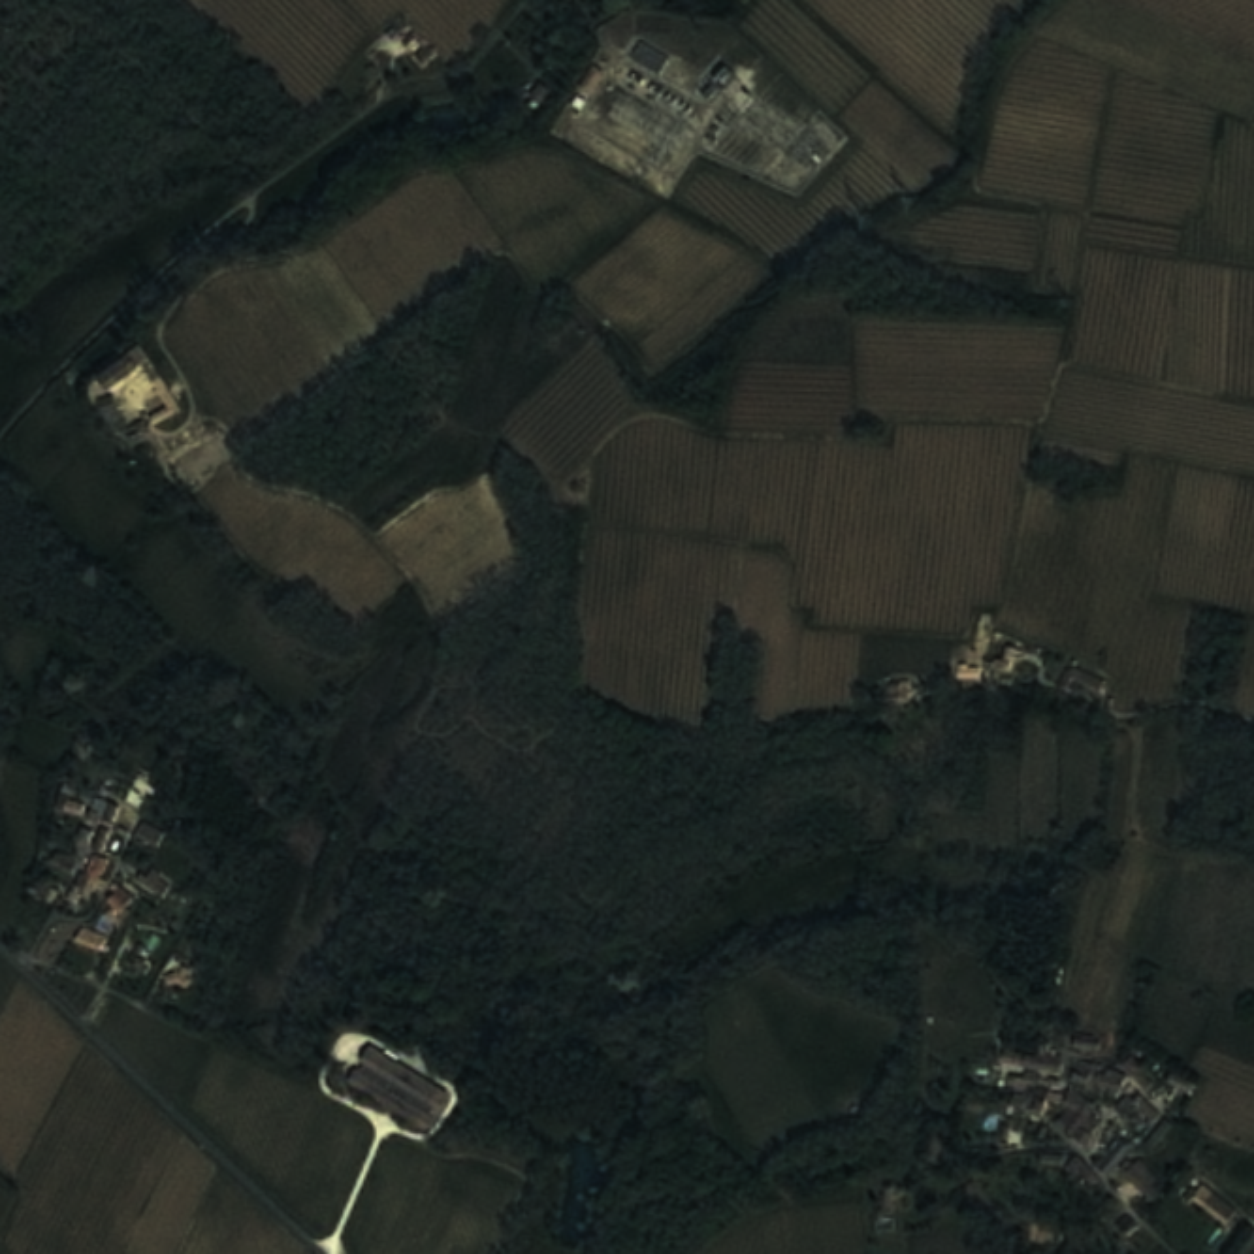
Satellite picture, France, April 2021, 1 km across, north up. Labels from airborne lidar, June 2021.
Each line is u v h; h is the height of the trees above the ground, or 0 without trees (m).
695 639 0
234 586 11
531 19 7
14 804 0
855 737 15
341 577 0
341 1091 14
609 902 7
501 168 0
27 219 16
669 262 0
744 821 16
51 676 13
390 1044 8
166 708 19
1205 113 0
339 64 0
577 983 12
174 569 0
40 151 15
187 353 0
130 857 8
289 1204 0
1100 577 0
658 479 0
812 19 0
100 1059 0
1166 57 0
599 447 0
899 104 0
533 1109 28
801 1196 7
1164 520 0
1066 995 0
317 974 19
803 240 0
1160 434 0
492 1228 0
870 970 16
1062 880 16
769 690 0
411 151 14
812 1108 0
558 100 9
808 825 11
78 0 16
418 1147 0
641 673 0
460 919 9
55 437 0
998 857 8
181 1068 0
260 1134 0
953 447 0
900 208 6
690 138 0
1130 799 0
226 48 16
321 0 0
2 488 23
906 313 11
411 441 13
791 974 15
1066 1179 8
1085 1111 0
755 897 0
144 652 22
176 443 0
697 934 0
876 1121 16
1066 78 0
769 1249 0
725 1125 0
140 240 0
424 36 0
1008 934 14
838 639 0
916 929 15
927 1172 11
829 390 0
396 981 21
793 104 0
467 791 13
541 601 14
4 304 22
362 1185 0
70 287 0
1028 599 0
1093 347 0
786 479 0
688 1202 16
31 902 11
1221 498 0
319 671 7
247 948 17
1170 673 0
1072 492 12
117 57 12
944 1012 0
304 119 15
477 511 0
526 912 20
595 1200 14
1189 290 0
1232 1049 0
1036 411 0
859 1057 0
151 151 15
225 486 0
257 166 6
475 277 16
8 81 11
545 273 0
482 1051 15
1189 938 0
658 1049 15
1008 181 0
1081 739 0
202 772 12
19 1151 0
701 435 0
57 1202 0
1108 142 0
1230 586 0
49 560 23
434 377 14
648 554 0
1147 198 0
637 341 0
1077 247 0
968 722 17
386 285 0
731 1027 0
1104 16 0
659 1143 21
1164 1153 0
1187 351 0
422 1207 0
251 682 14
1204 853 21
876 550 0
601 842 14
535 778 6
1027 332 0
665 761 15
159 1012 8
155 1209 0
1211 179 0
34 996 0
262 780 8
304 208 8
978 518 0
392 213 0
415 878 19
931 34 0
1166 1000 0
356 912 9
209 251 16
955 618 0
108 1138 0
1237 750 21
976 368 0
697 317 0
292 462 16
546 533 17
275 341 0
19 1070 0
